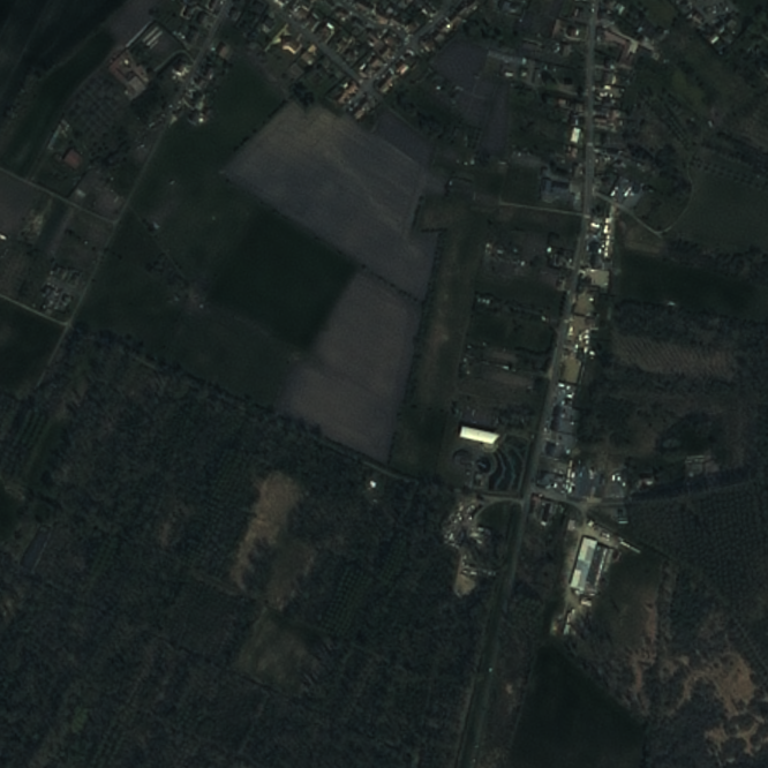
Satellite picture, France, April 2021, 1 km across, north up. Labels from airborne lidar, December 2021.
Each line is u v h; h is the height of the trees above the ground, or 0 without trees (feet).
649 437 0
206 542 37
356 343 0
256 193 0
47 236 0
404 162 0
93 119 41
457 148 0
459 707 82
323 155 0
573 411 0
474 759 0
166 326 0
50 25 0
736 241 0
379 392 0
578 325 0
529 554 36
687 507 98
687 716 22
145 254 0
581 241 0
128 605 94
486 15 0
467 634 66
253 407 25
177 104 0
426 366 0
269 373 0
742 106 0
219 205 0
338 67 0
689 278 0
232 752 19
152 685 34
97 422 20
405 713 22
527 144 0
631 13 31
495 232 0
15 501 0
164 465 24
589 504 0
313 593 48
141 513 59
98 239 0
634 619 0
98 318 0
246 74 0
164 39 0
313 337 0
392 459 18
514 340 0
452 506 50
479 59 0
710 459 0
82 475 99
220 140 0
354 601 80
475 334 0
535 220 0
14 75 0
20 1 0
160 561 86
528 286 0
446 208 0
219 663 44
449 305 0
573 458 0
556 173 27
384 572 72
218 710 67
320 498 83
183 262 0
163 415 91
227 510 27
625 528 0
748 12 0
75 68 0
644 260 0
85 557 49
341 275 0
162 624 19
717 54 28
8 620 71
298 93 36
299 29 0
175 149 0
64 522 26
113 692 33
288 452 96
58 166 0
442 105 0
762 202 0
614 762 0
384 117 0
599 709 0
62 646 30
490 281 0
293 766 82
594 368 0
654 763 37
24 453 87
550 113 0
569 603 0
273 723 18
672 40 0
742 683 0
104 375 111
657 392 43
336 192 0
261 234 0
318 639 0
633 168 0
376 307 0
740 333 48
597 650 112
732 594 97
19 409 25
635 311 42
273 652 0
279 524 0
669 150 24
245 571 0
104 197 0
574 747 0
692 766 21
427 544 92
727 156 65
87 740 65
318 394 0
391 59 0
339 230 0
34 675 111
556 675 0
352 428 0
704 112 0
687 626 22
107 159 21
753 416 64
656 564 0
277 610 0
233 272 0
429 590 53
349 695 92
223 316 0
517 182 0
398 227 0
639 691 0
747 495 104
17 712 116
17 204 0
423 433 0
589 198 0
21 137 0
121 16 0
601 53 0
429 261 0
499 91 0
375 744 79
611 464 0
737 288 0
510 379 0
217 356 0
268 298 0
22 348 0
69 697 101
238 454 90
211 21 0
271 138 0
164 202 0
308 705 65
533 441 0
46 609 34
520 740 0
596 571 0
